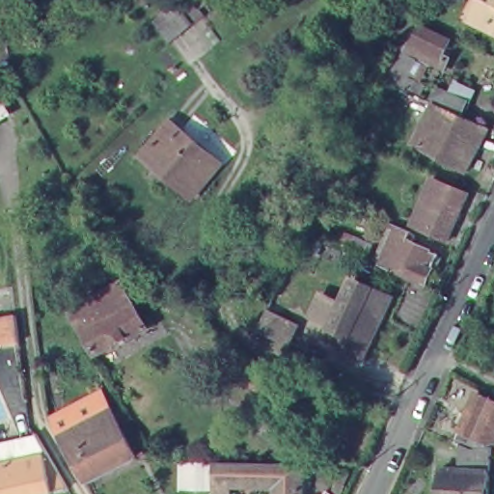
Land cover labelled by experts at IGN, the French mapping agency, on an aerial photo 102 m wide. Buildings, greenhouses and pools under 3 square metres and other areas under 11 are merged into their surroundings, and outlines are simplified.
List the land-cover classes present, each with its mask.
<instances>
[{"label":"deciduous trees","instance_id":"1","mask_svg":"<svg viewBox=\"0 0 494 494\"><path fill-rule=\"evenodd\" d=\"M116 4L129 10L125 19H118V25H131L135 21L133 14L139 10L135 0H52L48 17L42 21L37 14V6L27 0H0V29L6 31V37L10 39L12 46V52L8 54V68L0 66V104L6 106L8 112H12L25 106L23 98L29 96L37 85H41L44 75L52 68V58L39 56L42 42L54 44L71 37H83L100 15L106 14V8H112ZM158 2V8L162 10L179 12L181 8H195L203 15L210 14L218 6H224L245 19L264 23L268 17H278V12H286L289 6L301 4L299 0H152ZM326 14L301 17L299 23L305 25L301 37H293L291 31L276 35L274 44L266 46L264 62L259 66H251V71L245 73L241 79L249 93L261 96L262 102L266 104L262 108L264 116L274 122V127L266 137V147L272 151L270 160L259 164L261 170H257L255 178L251 181L239 183L232 193L226 195H218L216 189L210 185L203 195L199 201L203 205V218L206 222H201L199 259H193L191 264L183 268V272L174 268L172 274L151 272L143 264L135 261V251L141 247L137 232L143 224V208L133 203V189L129 185L110 181L106 183L104 178L93 174L87 178L85 185L77 183L71 187V205L44 197L39 191V185L33 189V193L23 189L19 191L17 195L19 206H15L12 216L21 233L25 235V249L29 259L27 274L33 301H39V307L44 313H77L87 303L100 299L110 289V284L116 280L120 282V288L127 291V295L135 303H145L151 309H158L166 318L174 322H181L183 318L187 322H193L199 330V336L205 338L206 342L216 349H193L189 355H181L176 340L166 338H162L147 351L145 363L156 369H168L170 361L174 359L179 365H185V370L191 374L193 382L199 384L205 394L214 396L210 403V409L214 413L212 425L208 426L206 446H199L197 442L187 444V434L179 425L166 426L158 432H151L143 425L133 405L123 401L125 367L120 363H112L104 355H98L95 359L96 363L106 367L102 370L106 378L100 390L116 417V423L122 430L129 450L133 453H143L151 461L154 471L164 467L176 473L181 463H280L284 473L299 475L301 479H309L313 475L316 479L328 482L342 480V494H353L365 467L372 465L370 455L380 430L388 426V421L392 417L388 409L367 403L369 392L359 382L332 369L326 361L309 359L305 363L301 355L284 357L282 353H272L270 336L261 326L262 311L268 309L272 301H278V295H282L288 289L289 284L293 282V276L301 272V266L309 261V257H313L316 247L336 249L338 261L342 262L343 268L351 276H355L365 270L369 249L349 241H340L343 233L353 237L365 235L372 243L378 245L384 230L390 224L388 214L384 210L376 208L369 201H355V187L359 181H365V176L361 174V164L370 162L369 154L361 152L367 143V129L361 122L367 114L378 112L384 91H396L399 87L398 73H394L392 69L399 60L401 44L413 35L415 27L425 25L432 21L430 17L438 8L436 0H318ZM69 232L79 235L81 243L73 245L64 257H58L56 251L50 249L46 243L52 239H62ZM226 301L233 305V313L239 320L237 328H230L220 318L218 307ZM459 54L453 66H448L436 77H430L432 68L421 71V98L425 100L426 96H430L436 89L448 91L450 83L457 81V73H467V66L473 62L471 56L480 48L477 44V35L480 33L463 23L453 29ZM120 73L102 68L100 77L91 73L89 69L85 71L83 91L71 85L66 75L60 79L58 85L62 93L81 96V100L75 106V112L79 114L77 127L85 149L93 147L89 137V123L95 116L110 112L116 120H125L129 116L127 112H123L127 95L118 91ZM374 288L390 295V305L386 307V313L382 316L378 328L382 332L386 330L390 318H396L399 324L409 326L412 330H415V324L399 316L401 303L405 299V291L401 289L403 280L394 272L378 268L374 270ZM457 332L463 336L461 343L465 347V353L475 361L473 367L494 374V334L482 326L479 318L471 315L463 316L459 322ZM33 382H44L46 378H50L52 374H56L58 378L64 376L83 380L85 370L81 367L79 355L54 347L48 353V361L39 357L31 361ZM434 450L425 444L415 442L405 453L401 461V473L394 484L392 494H405L407 486H411L415 480L423 482L430 475L434 477L436 473L430 471Z\"/></svg>","mask_w":494,"mask_h":494},{"label":"herbaceous vegetation","instance_id":"2","mask_svg":"<svg viewBox=\"0 0 494 494\"><path fill-rule=\"evenodd\" d=\"M37 6V14L42 21L48 17L52 0H27ZM139 10L133 14L135 21L131 25H118V19H125L129 10L116 4L112 8H106V14L100 15L83 37H71L54 44L42 42L39 56L52 58V68L44 75L41 85H37L29 96L35 110L41 114L42 122L46 123L48 131L56 137L58 149L66 166L73 168L75 172L81 164L98 160L100 170L106 174L104 178L106 183L110 181L129 185L133 189V203L143 208V224L137 232L141 247L135 251V261L143 264L151 272L172 274L174 268L183 272V268L191 264L193 259H199L201 222H206L203 218V205L199 201H183L170 187L160 185L156 179H145V168L139 160L133 158V154L139 152L143 139L152 129L172 118L181 110L185 98L201 83L195 69L189 64L181 58L174 44L164 41L154 27V19L162 10L158 8V2L152 0H135ZM102 68L120 73L118 91L127 95L123 112H127L129 116L125 120H116L110 112L95 116L89 123V137L93 147L85 149L77 127L79 114L75 112V106L81 100V96L62 93L58 85L60 79L66 75L71 85L83 91L85 71L89 69L91 73L100 77ZM174 68L185 73L183 81H178L168 73ZM301 4L289 6L286 12H278V17H268L264 23L245 19L224 6H218L210 14L203 15V19L212 35L216 37V41H220L216 42V46L208 50L203 58L206 69L214 77V81L251 114L255 143L249 164L239 183L251 181L255 178L257 170H261L259 164L270 160L272 151L266 147V137L274 127V122L264 116L262 108L266 104L262 102L261 96L249 93L241 79L245 73L251 71V66H259L264 62L266 46L274 44L276 35L291 31L293 37H301L305 25L299 23L301 17L326 14L318 0H299ZM467 0H436L438 8L430 17L432 21L425 25L430 31L448 39V66H453L459 54L453 29L463 23L461 12ZM12 52V46L10 39L6 37V31L0 29V66L8 68V54ZM477 44L480 48L471 56L473 62L467 66V73H457V81L473 89V96L469 98V102L475 106L480 102L494 110V39L480 33L477 35ZM413 114V112H411V106H409V100L401 95L399 87L396 91H384L378 112L367 114L361 122L367 129V143L361 152L369 154L370 162L361 164V174L365 176V181H359L355 187V201H369L376 208L384 210L388 214L390 224L401 228L407 220V224L417 230L411 241L428 247L432 253H436L438 259V264L432 266L434 272L426 276L423 288L403 280L401 289L405 291V299L401 303L399 316L415 324L423 316L430 293L436 289L440 297L453 293L455 278L459 274L457 261L463 255L465 243L450 245L434 241L428 235L434 230L436 218L440 216L442 205L453 187L463 189L465 193L484 195H488V187L494 181V127H492V137L488 139L484 149H477L471 156L465 174L450 172L438 166L434 174H430L421 164L409 162L407 158L390 152H384L378 158V154L372 151L374 145L382 151H386L388 147L409 149L407 131L411 129ZM203 120L201 125L214 129L222 137V141L232 145L239 141V133L230 118V112L220 100L210 96L197 112ZM17 143L15 158L19 174V191L23 189L33 193V189L39 185V191L44 197L71 205V187L77 183V174H73L62 183V176L56 172V160L44 156L39 141L41 133L25 106L12 112ZM232 168V158L226 168L220 166L199 191L203 195L210 185L216 189ZM15 206H19L17 195L12 199H6L0 193V289L10 288L15 284L12 239L21 233L12 216ZM81 243L79 235L69 232L62 239H52L46 243L50 249L56 251L58 257H64L73 245ZM378 245L372 243L369 249L365 270L355 276L357 282L374 288V270L378 268ZM351 276L343 268L342 262L338 261L336 249L316 247L313 257H309V261L301 266V272L293 276V282L289 284L288 289L282 295H278V301H272L268 309L274 315L288 318L295 326L305 322L303 316L293 313L297 307H309L316 291L326 293L328 297H336L340 289L338 286ZM471 315L479 318L482 326L494 334V295H486V305H477ZM39 357L48 361V353L54 347L79 355L81 367L85 370L83 380L64 376L58 378V386L64 394L62 401L66 405L95 390H100L106 378L102 370L106 367L96 363L95 359L87 353L75 328H71L69 318L64 313H44L39 307V301H33ZM220 318L230 328H237L239 320L233 313V305L226 301L218 307ZM137 315L141 316L143 324L147 326L160 324L164 328L170 326L166 318L158 309H151L145 303H135ZM412 330L409 326L399 324L396 318H390L386 330L382 332L380 338L376 336L370 343L367 357L372 359L374 355H378V361L388 365L392 376L399 370L403 372L409 370L415 353L407 347ZM147 351H139L127 359H122L120 363L125 367L123 401L133 405L143 425L151 432H158L166 426L179 425L187 434V444L197 442L199 446H206L208 426L212 425L214 413L210 409V403L214 396L205 394L199 384L193 382L191 374L185 370V365H179L174 359L170 361L168 369H156L145 363ZM46 411L52 413L56 409L50 378H46L44 382ZM448 434L444 432L432 430L426 432L425 444L434 450L430 471L436 473L446 463L450 467L457 465V461L452 457L457 446L452 440H446ZM488 450H490V457H488V461H490V473H488V488H486V492H484V494H494V446H490V448H488ZM93 494H158L151 484V477L145 473L143 467L137 465L112 480L102 482ZM156 479L160 480L170 494H181L183 490H178L176 473L164 467L154 471ZM434 477L430 475L423 482L415 480L411 486H407L405 494H432Z\"/></svg>","mask_w":494,"mask_h":494},{"label":"building","instance_id":"3","mask_svg":"<svg viewBox=\"0 0 494 494\"><path fill-rule=\"evenodd\" d=\"M463 23L480 33L494 39V0H467L461 12ZM203 19V15L195 8H181L179 12L162 10L154 19V27L164 41L174 44L191 31L195 23ZM448 39L430 31L425 25L415 27L413 35L401 44L399 60L392 69L394 73H398L399 87L401 95L409 100L411 96H421V71L432 68L430 77H436L448 66ZM168 73L178 81H183L185 73L174 68ZM473 96V89L457 81L450 83L448 91L436 89L430 96H426L425 100V112H423L421 116H415V114H413L411 129L407 131L409 149L425 154L426 158H430L438 166L450 172L465 174L471 156L477 149H484L488 139L492 137V127L477 125L471 120L461 118L463 108L469 102V98ZM8 112L6 106L0 104V120ZM133 158L139 160L145 168V179H156L160 185L170 187L183 201H199L203 195L199 191L220 166L212 154L201 149L189 135L183 133V129L174 123L172 118L152 129L143 139L139 152L133 154ZM465 201V193L463 189L453 187L442 205L440 216L436 218L434 230L428 235L434 241L450 245L453 237L450 230ZM417 230L407 224V220L401 228L390 224L384 230L378 245V268L394 272L403 280L423 288L426 276L434 272L432 266L438 264V259L436 253H432L428 247L411 241ZM340 241H349L369 249L372 243L365 235L353 237L343 233ZM340 289L336 297H328L326 293L316 291L309 307H297L293 313L303 316L305 322L300 340L316 345L357 367H365L367 357L370 343L376 336L380 338L382 332L378 328L382 316L386 313V307L390 305V295L374 288L357 282L355 276H351L338 286ZM69 318L71 328H75L87 353L95 359L98 355H104V338L108 334L114 340H141V334L149 330L147 326L143 324L141 316L137 315L135 303L127 295V291L120 288V282L116 280L110 284V289L100 299L87 303L77 313H64ZM14 309L0 311V347L17 345L15 320L12 316ZM261 326L270 336L272 353H282V347L289 343L295 332V326L288 318L274 315L268 309L262 311ZM44 428L50 432L58 450L64 455L69 471L73 475V482L85 484L91 490V494H93L102 482L112 480L137 465L133 453L129 450L122 430L116 423V417L100 390H95L66 405L56 409L52 413L48 425ZM471 409V415L469 419H463V432L461 436H452V440L457 446L452 457L457 461V465L450 467L446 463L436 473L434 477L432 494H484V492H486V488H488V473H490V461H488V457H490V450H488V448H490V446H494V401L480 396L477 390L465 403ZM0 494H68L66 484L58 473V467L48 457V453L42 450L39 440L33 436L0 442ZM176 473L178 490H183L181 494H342V480L328 482L316 479L313 475L309 479H301L299 475L284 473L280 463H181Z\"/></svg>","mask_w":494,"mask_h":494},{"label":"impervious surface","instance_id":"4","mask_svg":"<svg viewBox=\"0 0 494 494\"><path fill-rule=\"evenodd\" d=\"M216 42L220 41H216V37L212 35L203 19L195 23L191 31L174 44L181 58L189 64L203 58L208 50L216 46ZM210 96L201 83L185 98L181 110L172 118L174 123L183 129V133L189 135L201 149L212 154L220 166L226 168L232 158L235 149L232 145L222 141V137L214 129L201 125L203 120L197 112ZM409 106H411V112H413V114H415V116H421L423 112H425V100L421 98V96H411L409 100ZM17 143L12 112H8L0 120V193L6 199H12L17 195L19 191V174L15 158ZM459 274L455 278L453 293L440 297V311L428 324L421 345L415 353L409 370L403 372V382L399 388L405 394L399 403L398 413L392 417L388 421V426L380 430L370 455L372 465L365 467L353 494H392L394 484L401 473V461L405 453L415 442L425 444L426 432L432 430L436 421L446 419L448 415V409L444 405L438 398V388L442 378L455 367L453 343H461L463 336L457 332L459 322L463 316L471 315L477 305H486V295H494V181L488 187V195H484L479 220L475 222V226H471V235L465 243L463 255L457 261ZM14 309V297L10 288L0 289V311ZM149 330L141 334V340H114L108 334L104 338V355L112 363H120L122 359H127L139 351H147L162 338H166L164 328L160 324L147 326ZM0 392L8 405V411L12 413L8 423L0 425V442L33 436L27 430L23 419L25 394L23 376L19 370L17 345L0 347ZM56 409L66 405L62 401L64 394L58 386V378L56 374H52L50 378Z\"/></svg>","mask_w":494,"mask_h":494},{"label":"pervious surface","instance_id":"5","mask_svg":"<svg viewBox=\"0 0 494 494\"><path fill-rule=\"evenodd\" d=\"M195 69L201 83L210 96L220 100L230 112V118L239 133V141L232 145L235 149L232 158V168L216 189L218 195H226L232 193L239 183L249 164L255 143L251 114L214 81V77L206 69L203 58L189 64ZM461 118L471 120L477 125L492 127H494V110L480 102L475 106L469 102L463 108ZM484 195L465 193V201L450 230L453 237L450 245L465 243L471 235V226H475V222L479 220ZM15 284L10 288L14 297V309L12 316L15 320L19 370L23 376L25 394L23 419L27 430L33 436L39 440L42 450L48 453V457L58 467V473L66 484L68 494H91V490L85 484L73 482V475L69 471L64 455L58 450L50 432L44 428L48 425L52 413L46 411L44 382H33L31 361L39 357L33 301L27 274L29 259L25 249V235L21 233L12 239ZM170 326L164 328L166 338L176 340L181 355H189L193 349H216L206 342L205 338L199 336V330L193 322H187L183 318L181 322H174L166 318ZM305 322L295 326V332L289 343L282 347V353L284 357L301 355L305 363L309 359L326 361L332 369L359 382L369 392L367 403L388 409L392 417L398 413L399 403L405 394L399 388L403 382V372L399 370L392 376L388 365L378 361V355H374L372 359L367 357L365 367H357L316 345L300 340ZM455 367H463L471 374L479 376L482 382L494 386V374L473 367L475 361L465 353V347L461 343H453ZM477 390L471 384L457 378L453 382L452 394L444 405L448 409V415L446 419L436 421L432 430L444 432L448 434L446 440H452V436H461L463 432V419H469L471 415V409L465 403ZM137 465L143 467L145 473L151 477V484L158 494H170L160 480L156 479L154 471L151 461L143 453H133Z\"/></svg>","mask_w":494,"mask_h":494},{"label":"brushwood","instance_id":"6","mask_svg":"<svg viewBox=\"0 0 494 494\"><path fill-rule=\"evenodd\" d=\"M25 106L41 133L39 141L44 156L56 160V172L62 176V183L73 174H77V183L85 185L87 178L93 174L104 178L106 174L100 170L98 160L81 164L75 172L73 168L66 166L58 149L56 137L48 131L46 123L42 122L41 114L35 110L29 96L23 98ZM372 151L378 154V158L384 152H390L407 158L409 162L421 164L430 174H434L438 166L430 158H426L425 154L409 149L388 147L386 151H382L374 145ZM440 311V297L436 289L430 293L423 316L415 324V330H412L407 347L415 353L421 345L428 324ZM457 378L471 384L477 390L480 396L494 401V386L482 382L479 376L471 374L463 367H455L442 378L438 388V398L444 405L452 394L453 382Z\"/></svg>","mask_w":494,"mask_h":494},{"label":"swimming pool","instance_id":"7","mask_svg":"<svg viewBox=\"0 0 494 494\"><path fill-rule=\"evenodd\" d=\"M12 413L8 411V405L0 392V425L8 423Z\"/></svg>","mask_w":494,"mask_h":494}]
</instances>
